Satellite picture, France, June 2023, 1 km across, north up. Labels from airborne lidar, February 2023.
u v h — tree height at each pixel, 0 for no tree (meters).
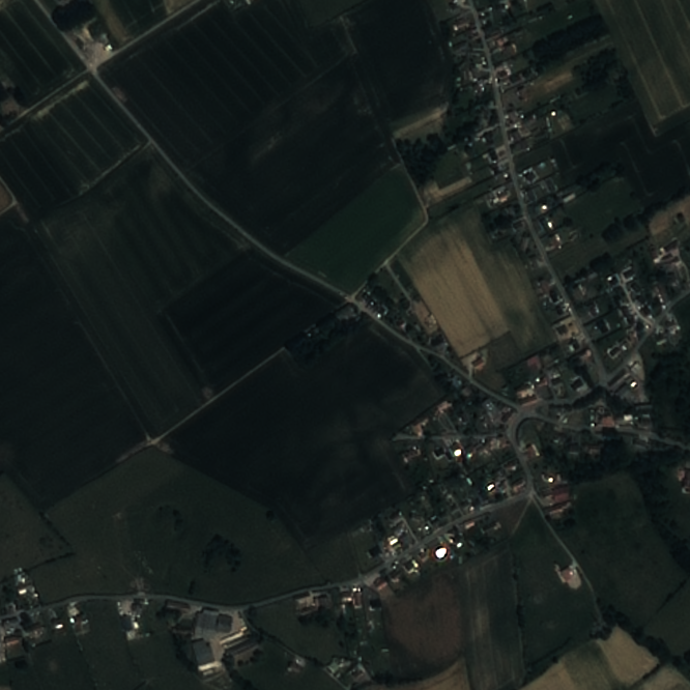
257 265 0
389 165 0
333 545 0
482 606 0
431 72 0
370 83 0
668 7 0
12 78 0
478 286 0
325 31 0
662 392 0
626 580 0
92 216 0
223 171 0
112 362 0
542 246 0
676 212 0
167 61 0
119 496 0
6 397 0
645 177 0
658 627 0
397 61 0
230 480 0
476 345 0
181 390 0
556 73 0
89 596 0
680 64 0
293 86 0
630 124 0
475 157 0
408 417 0
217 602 0
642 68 0
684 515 0
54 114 0
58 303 0
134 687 0
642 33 0
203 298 0
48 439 0
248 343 0
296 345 13
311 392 0
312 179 0
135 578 0
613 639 0
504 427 6
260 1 0
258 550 0
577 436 0
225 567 0
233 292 0
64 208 0
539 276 0
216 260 0
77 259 0
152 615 0
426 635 0
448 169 0
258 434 0
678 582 0
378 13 0
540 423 0
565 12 0
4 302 0
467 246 0
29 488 0
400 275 0
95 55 0
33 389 0
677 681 0
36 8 0
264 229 0
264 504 0
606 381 0
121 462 0
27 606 6
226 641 0
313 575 0
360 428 0
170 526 0
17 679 0
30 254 0
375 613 0
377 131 0
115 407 0
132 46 0
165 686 0
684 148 0
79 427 0
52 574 0
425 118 0
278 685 0
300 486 0
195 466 0
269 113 0
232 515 0
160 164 0
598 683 0
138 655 0
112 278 0
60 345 0
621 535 0
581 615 0
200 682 0
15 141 0
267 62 0
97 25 0
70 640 0
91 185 0
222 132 0
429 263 0
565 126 0
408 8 0
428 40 0
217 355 0
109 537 0
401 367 0
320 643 0
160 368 0
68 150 0
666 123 0
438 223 0
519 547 0
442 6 0
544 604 0
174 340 0
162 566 0
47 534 0
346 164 0
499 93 0
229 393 0
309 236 0
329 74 0
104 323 0
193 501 0
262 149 0
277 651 0
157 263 0
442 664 0
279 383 0
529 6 0
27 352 0
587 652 0
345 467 0
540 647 0
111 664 0
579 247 0
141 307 0
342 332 16
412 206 0
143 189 0
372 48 0
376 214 0
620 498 0
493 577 0
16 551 0
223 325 0
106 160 0
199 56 0
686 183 0
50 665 0
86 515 0
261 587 0
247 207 0
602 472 7
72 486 0
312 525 0
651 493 8
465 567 0
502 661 0
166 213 0
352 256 0
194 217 0
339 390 0
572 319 0
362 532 0
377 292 8
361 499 0
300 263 0
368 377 0
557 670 0
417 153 14
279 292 0
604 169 11
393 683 13
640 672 0
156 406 0
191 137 0
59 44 0
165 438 0
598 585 0
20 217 0
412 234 0
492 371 0
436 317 0
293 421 0
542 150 0
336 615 0
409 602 0
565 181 0
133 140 0
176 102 0
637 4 0
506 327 0
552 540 0
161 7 0
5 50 0
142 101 0
